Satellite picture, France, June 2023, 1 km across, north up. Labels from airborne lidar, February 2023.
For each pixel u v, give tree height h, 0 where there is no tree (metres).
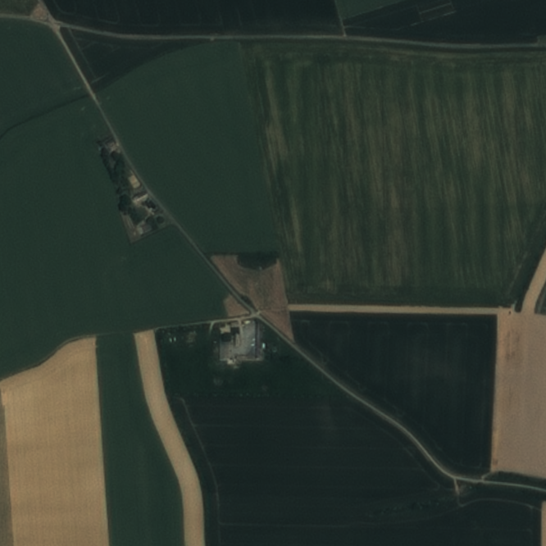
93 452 0
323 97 0
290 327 0
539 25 0
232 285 0
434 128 0
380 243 0
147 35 0
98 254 0
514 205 0
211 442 0
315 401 0
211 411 0
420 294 0
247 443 0
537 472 0
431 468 0
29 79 0
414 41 0
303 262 0
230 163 0
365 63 0
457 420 0
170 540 0
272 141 0
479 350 0
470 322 0
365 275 0
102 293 0
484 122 0
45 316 0
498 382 0
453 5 0
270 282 0
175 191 0
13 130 0
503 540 0
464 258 0
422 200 0
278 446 0
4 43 0
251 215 0
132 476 0
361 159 0
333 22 0
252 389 0
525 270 0
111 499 0
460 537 0
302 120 0
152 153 0
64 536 0
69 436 0
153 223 7
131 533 0
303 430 0
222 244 0
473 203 0
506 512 0
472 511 0
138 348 0
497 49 0
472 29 0
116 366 0
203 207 0
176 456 0
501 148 0
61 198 0
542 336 0
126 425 0
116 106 0
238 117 0
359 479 0
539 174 0
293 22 0
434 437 0
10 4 0
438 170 0
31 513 0
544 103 0
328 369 0
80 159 0
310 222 0
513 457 0
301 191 0
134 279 0
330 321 0
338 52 0
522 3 0
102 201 0
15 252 0
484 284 0
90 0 0
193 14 0
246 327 0
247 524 0
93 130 0
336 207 0
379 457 0
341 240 0
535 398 0
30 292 0
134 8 0
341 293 0
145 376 0
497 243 0
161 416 0
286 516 0
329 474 0
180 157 0
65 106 0
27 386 0
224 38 0
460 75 0
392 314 0
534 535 0
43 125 0
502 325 0
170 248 0
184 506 0
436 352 0
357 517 0
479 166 0
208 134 0
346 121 0
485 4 0
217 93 0
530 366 0
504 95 0
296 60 0
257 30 0
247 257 0
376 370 0
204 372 0
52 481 0
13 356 0
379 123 0
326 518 0
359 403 0
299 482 0
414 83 0
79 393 0
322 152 0
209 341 0
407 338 0
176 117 0
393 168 0
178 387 0
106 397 0
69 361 0
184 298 0
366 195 0
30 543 0
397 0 0
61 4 0
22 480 0
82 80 0
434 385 0
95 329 0
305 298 0
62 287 0
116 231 0
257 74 0
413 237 0
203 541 0
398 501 0
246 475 0
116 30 0
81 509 0
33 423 0
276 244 0
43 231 0
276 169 0
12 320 0
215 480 0
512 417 0
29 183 0
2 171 0
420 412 0
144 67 0
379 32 0
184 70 0
